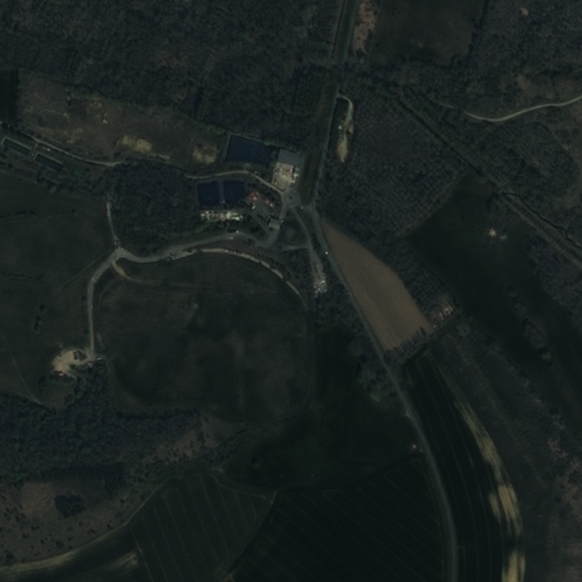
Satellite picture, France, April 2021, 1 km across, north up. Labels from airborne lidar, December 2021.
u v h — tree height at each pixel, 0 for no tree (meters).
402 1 0
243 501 0
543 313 0
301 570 0
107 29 21
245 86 23
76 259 0
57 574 0
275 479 0
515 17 23
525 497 0
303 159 0
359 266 0
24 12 19
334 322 17
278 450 0
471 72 17
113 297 0
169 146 0
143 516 0
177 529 0
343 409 0
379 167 19
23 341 0
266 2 26
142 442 15
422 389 0
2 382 0
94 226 0
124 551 0
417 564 0
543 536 0
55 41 19
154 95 25
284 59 18
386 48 0
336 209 8
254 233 9
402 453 0
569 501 0
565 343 0
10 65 9
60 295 0
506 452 0
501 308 0
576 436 7
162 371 0
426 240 0
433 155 15
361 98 8
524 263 0
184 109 9
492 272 0
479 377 0
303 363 0
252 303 0
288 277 5
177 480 0
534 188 18
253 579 0
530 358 0
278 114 26
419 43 0
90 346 0
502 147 16
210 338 0
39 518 0
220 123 19
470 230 0
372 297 0
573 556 0
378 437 0
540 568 0
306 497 0
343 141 0
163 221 27
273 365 0
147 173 25
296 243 0
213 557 0
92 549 0
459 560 0
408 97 21
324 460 0
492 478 0
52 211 0
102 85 16
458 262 0
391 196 26
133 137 0
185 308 0
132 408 0
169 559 0
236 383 0
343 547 0
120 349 0
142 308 0
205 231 7
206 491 0
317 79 27
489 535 0
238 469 0
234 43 31
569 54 17
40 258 0
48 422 17
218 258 0
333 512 0
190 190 16
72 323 0
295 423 0
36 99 0
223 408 0
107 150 0
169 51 8
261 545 0
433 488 0
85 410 21
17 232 0
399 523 0
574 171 19
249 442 0
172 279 0
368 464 0
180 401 0
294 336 0
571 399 0
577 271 0
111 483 14
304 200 0
